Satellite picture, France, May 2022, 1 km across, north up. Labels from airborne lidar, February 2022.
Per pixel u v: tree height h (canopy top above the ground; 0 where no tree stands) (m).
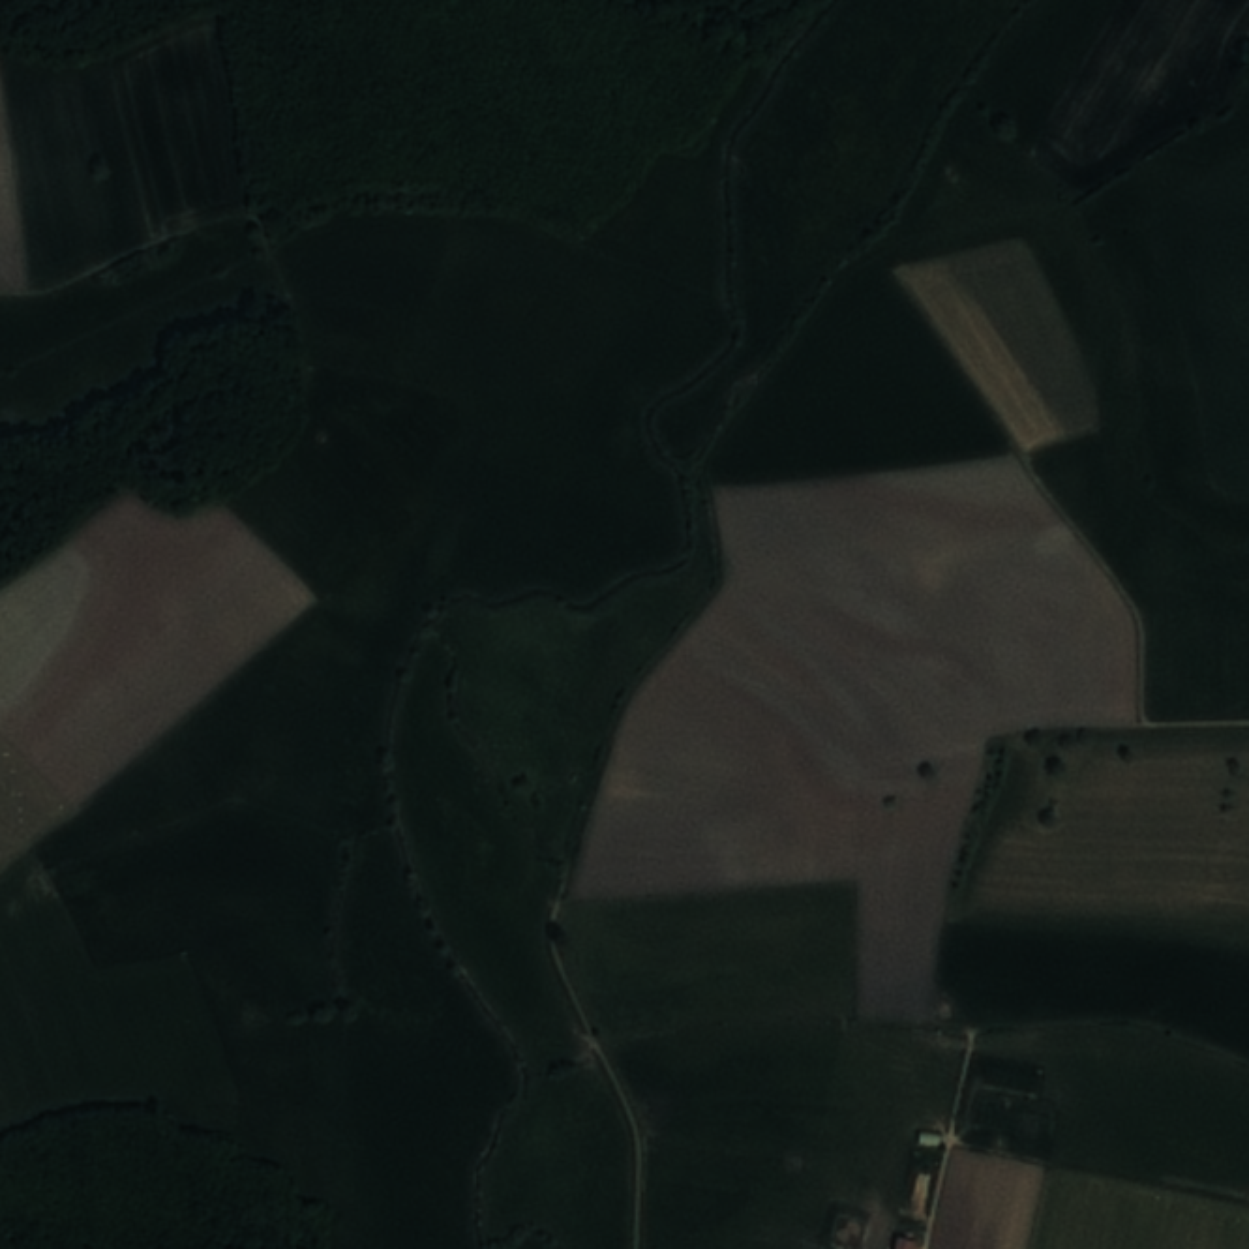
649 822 0
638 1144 0
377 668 0
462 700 0
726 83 14
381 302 0
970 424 0
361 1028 0
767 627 0
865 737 0
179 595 0
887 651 0
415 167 13
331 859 0
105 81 0
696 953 0
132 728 0
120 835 0
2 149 0
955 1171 0
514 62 16
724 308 0
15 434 18
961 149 0
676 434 0
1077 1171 0
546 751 0
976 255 0
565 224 6
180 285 0
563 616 0
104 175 13
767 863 0
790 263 0
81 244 0
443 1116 0
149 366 0
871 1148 0
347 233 0
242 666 0
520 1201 0
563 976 0
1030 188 0
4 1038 0
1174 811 0
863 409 0
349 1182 0
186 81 0
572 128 14
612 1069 0
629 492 0
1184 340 0
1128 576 0
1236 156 0
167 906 0
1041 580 0
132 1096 0
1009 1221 0
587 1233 0
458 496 0
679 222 0
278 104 17
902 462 0
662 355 0
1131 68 0
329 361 0
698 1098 0
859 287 0
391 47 16
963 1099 0
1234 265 0
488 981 0
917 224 0
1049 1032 0
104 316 0
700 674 0
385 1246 0
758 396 0
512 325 0
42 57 15
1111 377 0
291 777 0
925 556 0
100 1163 14
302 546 0
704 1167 0
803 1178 0
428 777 0
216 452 24
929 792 0
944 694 0
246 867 0
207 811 0
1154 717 0
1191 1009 0
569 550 0
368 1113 0
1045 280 0
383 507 0
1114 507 0
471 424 0
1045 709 0
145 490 15
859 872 0
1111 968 0
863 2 0
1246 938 0
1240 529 0
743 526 0
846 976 0
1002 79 0
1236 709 0
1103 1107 0
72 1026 0
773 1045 0
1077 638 0
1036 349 0
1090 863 0
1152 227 0
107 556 0
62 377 0
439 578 0
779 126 0
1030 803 0
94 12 22
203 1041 0
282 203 10
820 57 0
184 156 0
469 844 0
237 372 24
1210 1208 0
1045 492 0
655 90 16
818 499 0
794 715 0
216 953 0
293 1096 0
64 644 0
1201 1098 0
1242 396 0
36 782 0
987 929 0
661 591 0
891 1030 0
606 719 0
